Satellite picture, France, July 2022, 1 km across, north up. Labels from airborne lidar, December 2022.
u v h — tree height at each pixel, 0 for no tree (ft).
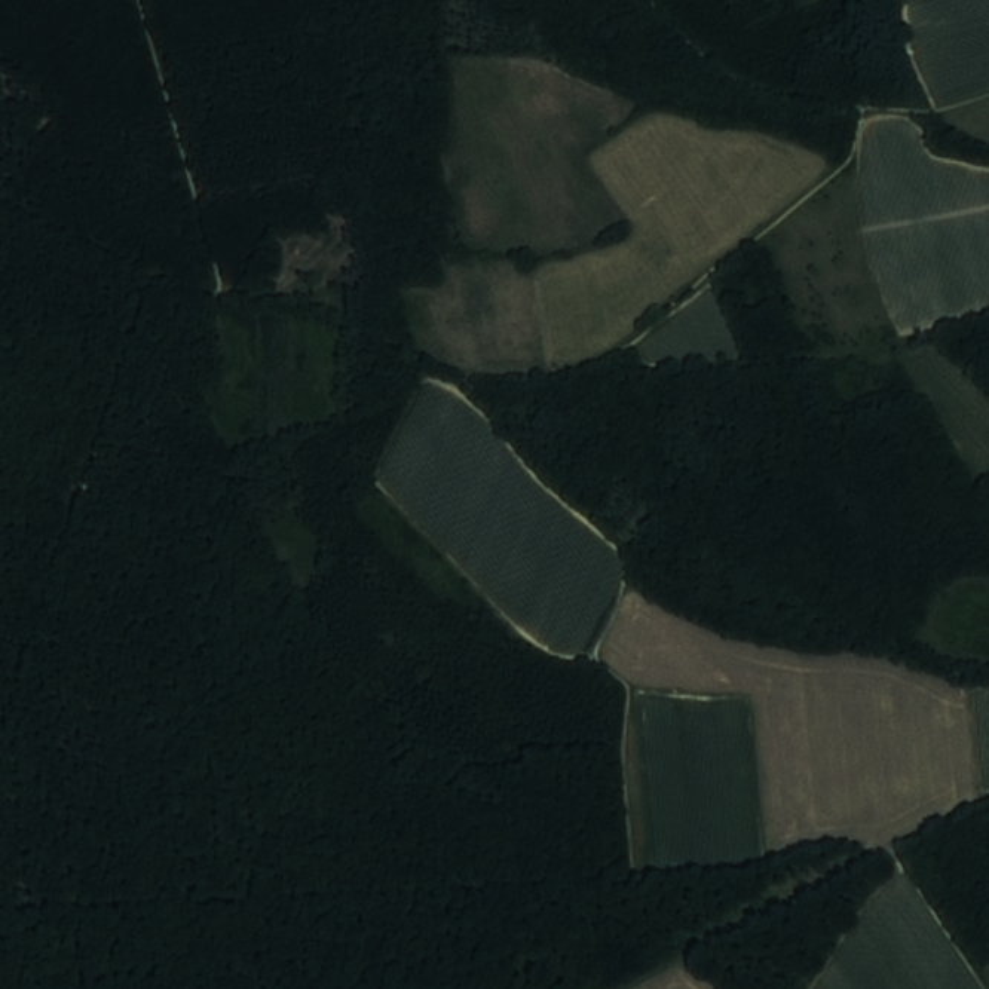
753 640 59
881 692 0
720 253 0
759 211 0
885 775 0
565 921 111
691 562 76
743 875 96
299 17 52
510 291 0
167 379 96
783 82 29
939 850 86
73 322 89
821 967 95
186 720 89
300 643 96
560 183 0
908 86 78
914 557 100
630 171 0
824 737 0
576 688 39
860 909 90
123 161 52
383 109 80
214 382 80
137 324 77
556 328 0
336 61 52
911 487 89
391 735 92
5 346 86
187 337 80
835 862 95
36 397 84
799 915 115
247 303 73
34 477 82
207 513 87
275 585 79
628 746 0
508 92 0
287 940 115
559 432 88
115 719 87
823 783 0
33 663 98
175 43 53
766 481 32
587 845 108
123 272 82
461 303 0
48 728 100
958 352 54
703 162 0
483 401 62
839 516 80
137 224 51
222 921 114
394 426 52
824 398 54
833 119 52
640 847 0
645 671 0
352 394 47
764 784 0
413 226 64
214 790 108
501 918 114
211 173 50
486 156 0
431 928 112
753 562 62
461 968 114
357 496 79
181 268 66
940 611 0
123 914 98
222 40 57
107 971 113
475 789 85
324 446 37
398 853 98
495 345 0
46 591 77
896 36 75
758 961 107
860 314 0
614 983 72
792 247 0
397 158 94
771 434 91
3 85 84
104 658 102
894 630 74
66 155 53
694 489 94
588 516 37
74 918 110
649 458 64
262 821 102
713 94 66
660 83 66
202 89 57
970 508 74
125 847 101
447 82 59
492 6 83
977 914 78
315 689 107
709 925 104
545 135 0
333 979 115
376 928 112
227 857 111
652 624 0
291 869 108
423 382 53
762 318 52
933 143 59
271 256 70
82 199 60
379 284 81
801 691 0
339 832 88
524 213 0
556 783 106
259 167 43
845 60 54
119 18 42
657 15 69
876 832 0
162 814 104
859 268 0
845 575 70
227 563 85
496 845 106
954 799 0
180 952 120
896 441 82
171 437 104
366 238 75
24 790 89
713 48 32
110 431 81
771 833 0
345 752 89
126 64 47
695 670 0
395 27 86
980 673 46
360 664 30
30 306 85
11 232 87
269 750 89
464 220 0
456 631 26
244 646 85
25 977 106
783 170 0
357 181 62
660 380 67
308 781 85
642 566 47
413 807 100
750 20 83
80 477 65
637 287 0
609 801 112
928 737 0
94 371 81
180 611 101
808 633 80
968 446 0
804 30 22
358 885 103
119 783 98
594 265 0
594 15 82
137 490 88
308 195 49
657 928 101
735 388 84
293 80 37
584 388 62
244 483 73
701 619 71
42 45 40
